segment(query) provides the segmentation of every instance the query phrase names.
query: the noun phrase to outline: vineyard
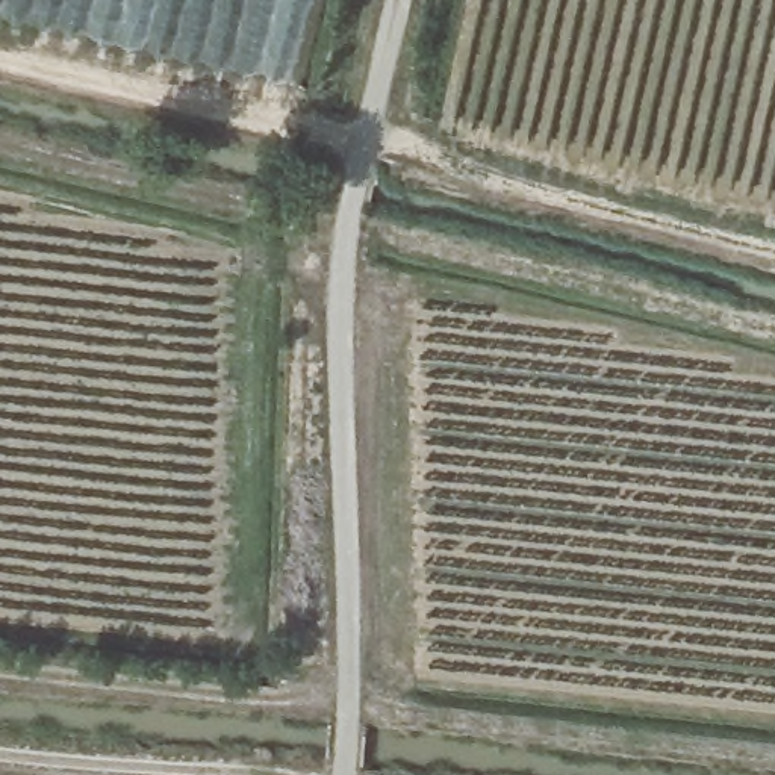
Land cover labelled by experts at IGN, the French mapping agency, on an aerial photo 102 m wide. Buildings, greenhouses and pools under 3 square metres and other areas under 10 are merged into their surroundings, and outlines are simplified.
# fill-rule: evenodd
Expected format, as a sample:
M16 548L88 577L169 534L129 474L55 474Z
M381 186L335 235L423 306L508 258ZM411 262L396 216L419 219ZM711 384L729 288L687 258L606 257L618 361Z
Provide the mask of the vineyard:
M170 666L194 663L209 669L239 669L254 663L254 648L248 642L254 639L254 630L245 621L248 608L224 602L227 545L233 539L233 521L224 503L224 493L230 490L230 466L224 442L230 412L236 409L236 388L227 381L227 354L233 333L227 333L227 324L233 321L230 275L242 272L242 257L239 248L206 242L170 227L91 215L18 212L18 203L33 203L30 194L24 194L0 191L0 642L18 651L33 651L48 660L36 669L36 675L0 669L0 678L54 687L91 687L103 693L176 696L188 702L206 702L206 708L218 711L227 711L230 705L251 705L324 708L336 714L339 651L327 342L315 348L303 339L294 342L288 378L288 433L282 439L285 460L275 472L275 481L282 487L291 487L294 493L291 551L285 566L275 566L269 578L269 627L282 627L288 639L297 642L297 654L303 660L297 672L272 687L251 690L248 696L224 696L224 687L215 681L188 684L173 672L157 681L118 672L112 681L94 681L85 678L76 666L70 666L76 654L103 657L118 666L127 660Z
M575 288L539 285L527 279L475 269L466 263L439 260L430 254L400 251L384 242L388 230L397 221L360 212L357 251L366 254L372 266L412 275L424 300L424 309L430 309L433 318L430 327L412 327L412 342L424 342L424 360L442 360L442 366L427 372L424 403L424 412L430 412L430 463L424 490L424 509L430 512L427 581L433 590L430 666L445 672L545 678L569 684L775 702L775 342L742 336L727 327L702 327L696 321L681 321L663 312L621 306Z
M333 775L333 766L324 766L275 766L269 751L260 748L251 751L251 757L242 763L160 760L148 754L79 754L0 745L0 775Z
M663 212L705 227L775 239L775 0L342 0L336 48L327 70L339 73L351 67L351 85L363 94L363 109L375 115L381 136L394 127L403 127L424 136L427 142L436 142L442 154L448 157L454 151L490 163L496 173L527 179L536 185L605 197L621 206Z
M590 699L572 699L566 705L542 693L509 696L412 687L412 702L433 708L463 708L506 717L627 730L657 733L775 745L775 724L739 724L724 714L696 717L684 708L654 705L645 705L639 711L630 705L602 708Z

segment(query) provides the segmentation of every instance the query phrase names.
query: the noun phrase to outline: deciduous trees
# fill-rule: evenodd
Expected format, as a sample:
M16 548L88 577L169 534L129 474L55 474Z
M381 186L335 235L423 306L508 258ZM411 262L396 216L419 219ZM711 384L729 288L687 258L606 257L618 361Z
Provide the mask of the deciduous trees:
M493 194L487 200L463 200L433 191L424 182L403 179L397 173L381 176L375 194L388 200L409 200L415 206L439 206L484 218L478 230L439 218L421 218L421 230L490 242L496 248L548 263L593 263L602 269L618 269L645 279L657 288L693 294L714 303L724 303L727 297L699 288L705 272L736 282L742 288L748 285L748 279L775 285L775 272L766 272L751 263L724 260L705 251L690 251L654 239L636 239L630 233L615 230L605 221L578 218L572 212L512 194Z
M675 763L654 760L648 754L648 742L657 733L627 730L627 760L563 748L554 760L569 766L627 769L630 775L672 775Z
M70 203L67 194L39 185L30 185L24 194L30 194L33 203L18 203L18 212L91 215L82 206Z
M357 775L490 775L490 769L460 766L454 760L378 760L378 733L375 724L366 724L363 730L366 745L363 766L357 766Z
M0 642L0 669L36 675L36 669L48 660L33 651L18 651Z
M318 209L336 212L342 197L345 185L360 185L369 176L369 163L381 148L381 136L375 115L363 109L363 94L351 85L351 67L339 73L327 70L336 48L342 0L0 0L0 48L30 48L33 54L82 61L88 67L115 70L121 76L145 73L151 82L167 82L167 97L179 97L179 88L191 79L224 79L236 88L233 109L239 115L263 97L263 85L275 82L282 88L282 106L291 112L285 121L288 136L266 133L257 145L257 170L248 173L245 182L239 182L236 194L239 212L206 215L194 212L182 200L170 200L170 185L179 176L163 173L163 157L194 157L191 173L185 179L203 179L206 163L203 148L197 142L182 142L179 136L160 133L157 121L151 121L136 124L130 136L118 127L85 127L79 145L97 157L121 157L121 170L115 173L112 185L133 197L127 209L157 215L160 221L170 221L170 227L206 242L239 248L242 257L242 272L230 275L233 321L227 324L227 333L233 333L227 354L227 381L236 388L236 409L230 412L224 442L230 466L230 490L224 493L224 503L233 521L233 539L227 545L224 602L248 608L245 621L254 630L254 639L248 642L254 648L254 663L239 669L209 669L194 663L170 666L127 660L118 666L103 657L76 654L70 666L76 666L85 678L94 681L112 681L118 672L157 681L173 672L188 684L215 681L224 687L224 696L248 696L251 690L272 687L297 672L303 660L297 654L297 642L288 639L282 627L269 627L269 578L275 566L285 566L291 551L294 493L291 487L282 487L275 481L275 472L285 460L282 439L288 433L288 378L294 342L285 336L288 324L282 321L282 282L291 269L291 254L303 248L303 236L318 233Z

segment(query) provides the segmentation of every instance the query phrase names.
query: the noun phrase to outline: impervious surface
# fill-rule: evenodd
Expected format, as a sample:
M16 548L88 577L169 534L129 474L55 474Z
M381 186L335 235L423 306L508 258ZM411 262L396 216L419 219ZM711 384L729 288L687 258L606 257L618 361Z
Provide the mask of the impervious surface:
M357 714L357 251L360 212L354 203L342 197L336 212L327 285L327 342L339 651L336 714L333 766L333 775L357 775L357 766L363 766L366 745L363 730Z

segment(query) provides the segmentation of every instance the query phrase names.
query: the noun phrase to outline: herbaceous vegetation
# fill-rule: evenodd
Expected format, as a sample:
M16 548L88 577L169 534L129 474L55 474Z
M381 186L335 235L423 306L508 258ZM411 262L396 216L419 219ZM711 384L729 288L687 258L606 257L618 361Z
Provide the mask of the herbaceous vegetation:
M157 215L127 209L133 197L112 185L115 173L121 170L121 157L97 157L79 145L85 127L118 127L130 136L136 124L151 121L154 106L67 91L36 79L0 73L0 191L24 194L30 185L39 185L67 194L70 203L82 206L91 215L170 227L170 221L160 221Z
M654 760L675 763L672 775L775 775L775 745L657 733L648 742L648 754Z
M179 176L170 185L170 200L182 200L194 212L206 215L239 212L236 194L239 182L245 182L248 173L221 163L206 163L203 179L185 179L191 173L194 157L163 157L163 173Z
M291 254L291 269L282 282L282 321L288 324L285 336L294 342L303 339L315 348L327 342L327 285L336 212L318 209L318 233L303 236L303 248Z
M394 733L409 742L430 739L454 751L518 751L521 757L536 763L554 760L563 748L627 760L627 730L506 717L463 708L433 708L412 702L412 687L509 696L542 693L566 705L572 699L590 699L602 708L630 705L639 711L645 705L654 705L684 708L696 717L724 714L739 724L775 724L775 702L569 684L545 678L445 672L430 666L433 590L427 581L430 512L424 509L424 490L430 463L430 412L424 412L424 403L427 372L442 366L442 360L424 360L424 342L412 342L412 327L430 327L433 318L430 309L424 309L424 300L412 275L372 266L366 254L357 251L357 714L363 730L366 724L375 724L378 733Z
M496 173L490 163L454 151L448 157L442 154L433 163L427 163L421 157L381 148L369 163L369 176L360 185L345 185L342 197L354 203L360 212L397 221L388 230L384 242L400 251L430 254L439 260L466 263L475 269L527 279L539 285L575 288L621 306L663 312L681 321L696 321L702 327L727 327L742 336L775 342L775 285L748 279L748 285L742 288L736 282L705 272L699 288L727 297L724 303L714 303L693 294L657 288L645 279L618 269L602 269L593 263L548 263L496 248L490 242L421 230L421 218L439 218L478 230L484 218L439 206L415 206L409 200L388 200L375 194L381 176L397 173L403 179L424 182L433 191L463 200L487 200L493 194L484 191L484 185L487 176Z
M251 736L182 739L163 733L139 733L130 724L48 730L33 727L33 717L0 721L0 745L79 754L148 754L160 760L242 763L251 757L251 751L260 748L269 751L275 766L324 766L324 748L315 742L279 742Z

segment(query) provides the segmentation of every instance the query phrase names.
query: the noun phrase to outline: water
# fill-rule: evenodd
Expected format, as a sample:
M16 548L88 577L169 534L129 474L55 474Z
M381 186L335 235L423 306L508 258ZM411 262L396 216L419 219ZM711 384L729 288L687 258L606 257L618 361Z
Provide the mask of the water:
M430 739L409 742L394 733L378 733L378 760L454 760L460 766L490 769L490 775L630 775L627 769L569 766L554 760L536 763L521 757L518 751L454 751Z
M33 727L48 730L130 724L139 733L163 733L182 739L251 736L279 742L315 742L324 748L324 766L333 766L336 714L324 708L251 705L230 705L227 711L218 711L206 708L206 702L188 702L176 696L103 693L91 687L54 687L0 678L0 721L33 717Z
M206 163L221 163L248 173L257 170L257 145L266 133L239 130L239 139L233 145L203 148Z

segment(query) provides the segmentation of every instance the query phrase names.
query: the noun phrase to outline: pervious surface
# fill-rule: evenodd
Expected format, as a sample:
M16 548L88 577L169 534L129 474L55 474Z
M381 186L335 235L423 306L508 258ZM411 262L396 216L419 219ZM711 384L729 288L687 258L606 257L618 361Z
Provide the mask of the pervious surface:
M572 212L578 218L605 221L615 230L630 233L636 239L654 239L690 251L705 251L724 260L751 263L766 272L775 272L775 239L705 227L663 212L621 206L605 197L536 185L527 179L496 173L487 176L484 185L484 191L493 194L512 194Z
M288 136L285 121L291 112L282 106L282 88L275 82L263 85L263 97L239 115L233 109L236 88L224 79L191 79L179 88L179 97L167 97L167 82L151 82L145 73L121 76L115 70L88 67L82 61L33 54L30 48L0 48L0 73L36 79L67 91L154 106L151 121L157 121L160 133L179 136L182 142L197 142L203 148L233 145L239 139L239 130L266 133Z
M381 136L381 148L421 157L427 163L433 163L442 154L436 142L427 142L424 136L403 127L394 127Z

